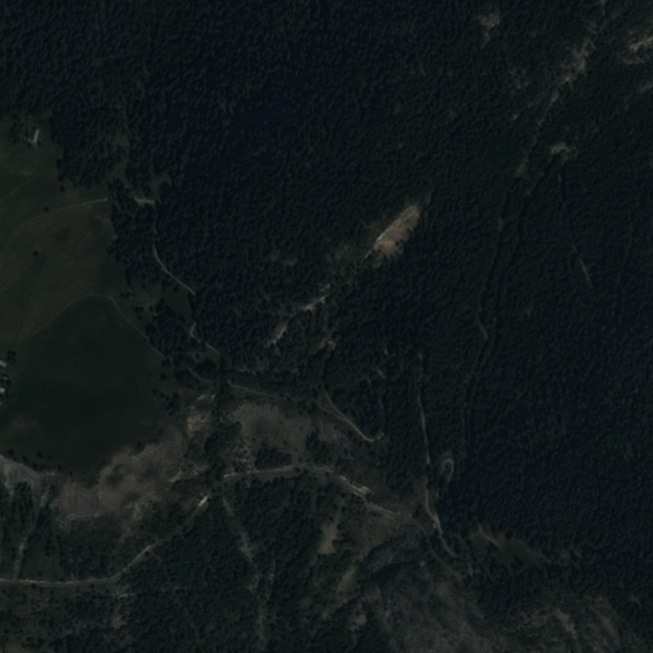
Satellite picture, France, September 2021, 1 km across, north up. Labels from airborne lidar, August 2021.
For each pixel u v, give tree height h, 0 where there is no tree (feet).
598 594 45
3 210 0
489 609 50
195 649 46
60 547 58
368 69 58
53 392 0
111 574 31
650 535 56
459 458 31
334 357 42
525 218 69
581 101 26
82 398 0
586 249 60
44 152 0
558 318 70
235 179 63
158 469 0
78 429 0
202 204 43
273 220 42
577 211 72
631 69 29
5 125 0
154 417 0
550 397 33
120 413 0
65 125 70
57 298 0
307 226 45
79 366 0
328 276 47
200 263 67
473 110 70
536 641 21
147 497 0
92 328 0
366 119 63
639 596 79
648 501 39
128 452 0
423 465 26
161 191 0
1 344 0
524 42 70
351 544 20
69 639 34
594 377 48
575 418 56
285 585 47
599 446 32
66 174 53
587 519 80
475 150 30
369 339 67
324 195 62
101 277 0
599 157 47
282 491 46
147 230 68
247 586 36
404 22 29
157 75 31
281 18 49
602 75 30
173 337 64
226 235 74
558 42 24
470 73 74
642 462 44
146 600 50
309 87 63
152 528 21
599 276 84
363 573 26
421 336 33
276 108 35
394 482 43
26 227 0
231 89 65
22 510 58
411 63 20
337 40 59
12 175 0
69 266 0
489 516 60
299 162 24
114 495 0
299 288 58
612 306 95
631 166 48
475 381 28
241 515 28
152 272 42
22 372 0
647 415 27
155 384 0
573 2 47
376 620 30
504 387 64
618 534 73
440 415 55
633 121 40
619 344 47
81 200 0
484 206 58
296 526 64
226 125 70
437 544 32
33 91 88
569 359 50
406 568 21
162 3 37
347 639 23
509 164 28
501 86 31
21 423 0
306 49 51
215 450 53
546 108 27
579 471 46
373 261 63
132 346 0
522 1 54
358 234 31
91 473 0
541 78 41
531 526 88
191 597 50
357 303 57
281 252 41
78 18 61
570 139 26
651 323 26
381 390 59
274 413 0
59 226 0
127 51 66
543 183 55
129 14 27
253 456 26
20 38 38
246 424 0
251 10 24
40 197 0
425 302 77
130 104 38
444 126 24
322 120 59
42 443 0
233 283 58
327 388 61
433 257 80
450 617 0
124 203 42
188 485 24
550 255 82
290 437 0
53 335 0
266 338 43
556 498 60
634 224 27
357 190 58
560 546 78
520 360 43
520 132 27
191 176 58
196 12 92
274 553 50
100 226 0
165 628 60
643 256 35
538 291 31
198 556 52
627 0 29
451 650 0
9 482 0
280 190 41
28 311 0
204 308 42
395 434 67
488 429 48
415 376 35
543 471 57
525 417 33
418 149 57
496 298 20
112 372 0
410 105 56
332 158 41
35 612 21
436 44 62
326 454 65
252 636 46
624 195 55
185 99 85
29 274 0
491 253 50
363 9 53
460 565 31
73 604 30
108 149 49
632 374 41
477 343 48
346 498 39
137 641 36
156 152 49
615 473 57
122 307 0
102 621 33
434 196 29
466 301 61
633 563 73
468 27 41
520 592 63
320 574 31
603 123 23
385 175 66
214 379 48
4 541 31
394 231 0
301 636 42
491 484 53
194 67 28
